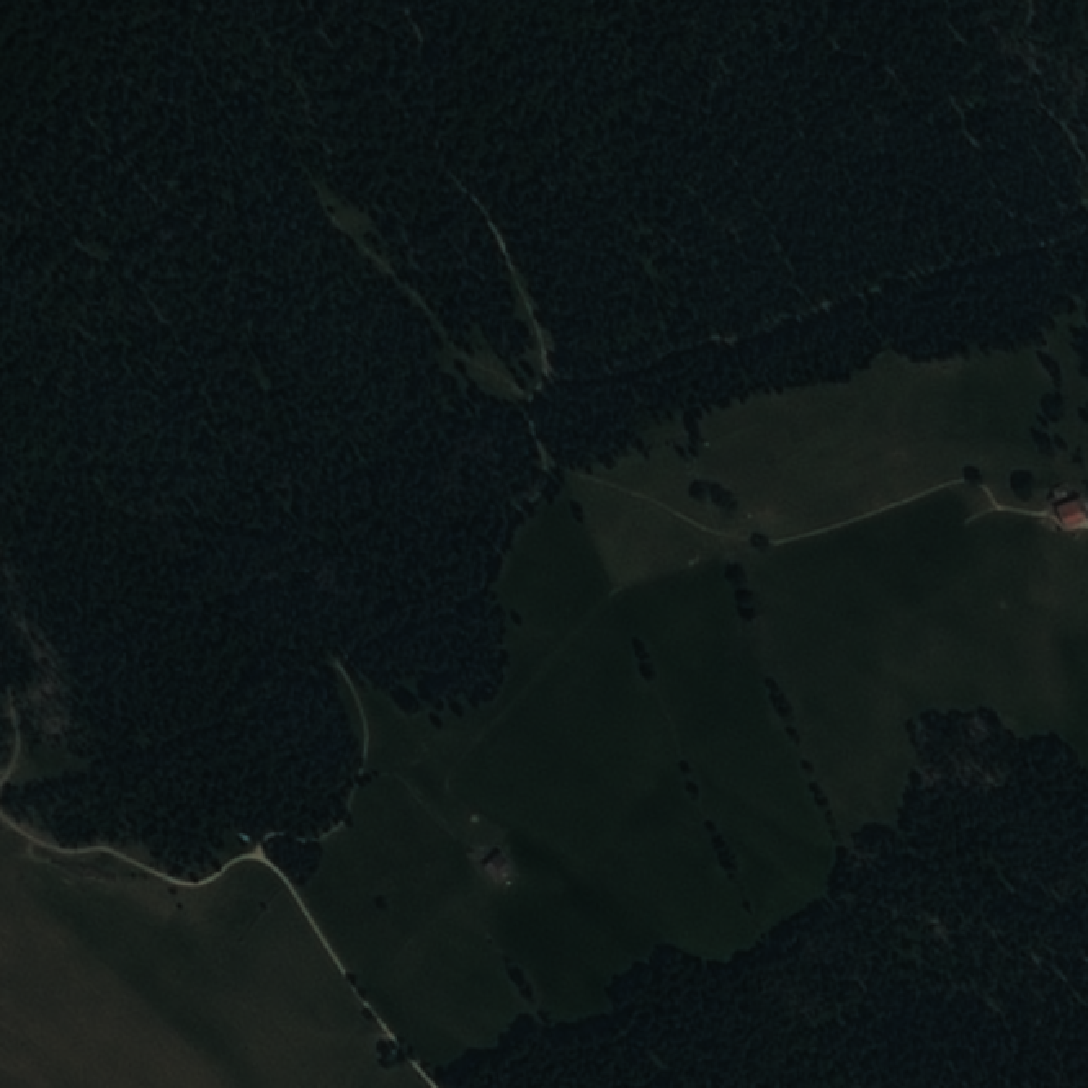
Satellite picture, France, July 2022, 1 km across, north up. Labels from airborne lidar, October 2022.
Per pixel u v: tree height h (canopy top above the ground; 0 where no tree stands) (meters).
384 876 0
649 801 0
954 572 0
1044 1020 8
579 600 0
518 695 0
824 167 19
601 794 0
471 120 20
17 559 14
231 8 21
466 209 19
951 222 22
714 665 0
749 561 0
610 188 20
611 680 0
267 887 0
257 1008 0
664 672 0
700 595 0
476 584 26
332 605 21
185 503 7
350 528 16
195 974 0
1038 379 0
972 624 0
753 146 18
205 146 24
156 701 8
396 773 0
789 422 0
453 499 21
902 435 0
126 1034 0
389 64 15
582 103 7
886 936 16
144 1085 0
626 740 0
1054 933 27
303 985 0
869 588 0
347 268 17
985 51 22
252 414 9
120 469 9
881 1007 24
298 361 26
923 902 24
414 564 29
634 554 0
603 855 0
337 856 0
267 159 23
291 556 24
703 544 0
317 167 13
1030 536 0
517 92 15
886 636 0
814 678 0
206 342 10
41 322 19
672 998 21
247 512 8
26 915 0
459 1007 0
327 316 23
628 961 0
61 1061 0
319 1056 0
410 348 20
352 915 0
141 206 27
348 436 9
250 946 0
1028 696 0
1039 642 0
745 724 0
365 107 16
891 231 20
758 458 0
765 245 26
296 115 15
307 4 13
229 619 14
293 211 25
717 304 19
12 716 0
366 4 18
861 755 0
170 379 7
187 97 12
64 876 0
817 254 18
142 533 6
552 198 8
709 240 22
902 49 20
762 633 0
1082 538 0
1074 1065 10
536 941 0
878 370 0
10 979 0
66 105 9
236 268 16
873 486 0
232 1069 0
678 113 14
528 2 17
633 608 0
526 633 0
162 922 0
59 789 13
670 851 0
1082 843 21
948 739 23
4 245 7
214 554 24
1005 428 0
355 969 0
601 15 16
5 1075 0
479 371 0
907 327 22
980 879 8
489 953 0
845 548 0
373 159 16
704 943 0
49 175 17
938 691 0
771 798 0
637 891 0
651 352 23
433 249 22
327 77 15
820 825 0
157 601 15
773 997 24
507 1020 0
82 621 25
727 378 16
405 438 28
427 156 19
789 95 26
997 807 18
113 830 7
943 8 21
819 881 0
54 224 21
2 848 0
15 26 10
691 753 0
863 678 0
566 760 0
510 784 0
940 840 25
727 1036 21
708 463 0
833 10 15
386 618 29
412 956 0
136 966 0
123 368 27
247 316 18
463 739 0
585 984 0
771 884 0
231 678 13
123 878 0
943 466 0
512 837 0
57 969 0
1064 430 0
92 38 10
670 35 18
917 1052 22
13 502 21
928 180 10
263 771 6
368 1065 0
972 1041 24
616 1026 23
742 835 0
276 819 9
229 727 11
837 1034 26
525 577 0
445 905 0
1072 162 0
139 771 6
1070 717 0
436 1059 0
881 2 23
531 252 16
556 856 0
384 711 0
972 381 0
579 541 0
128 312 24
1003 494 0
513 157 21
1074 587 0
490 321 9
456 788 0
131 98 17
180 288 7
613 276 20
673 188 22
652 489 0
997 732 26
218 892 0
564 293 20
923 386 0
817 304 9
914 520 0
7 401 13
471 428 22
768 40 24
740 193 18
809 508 0
